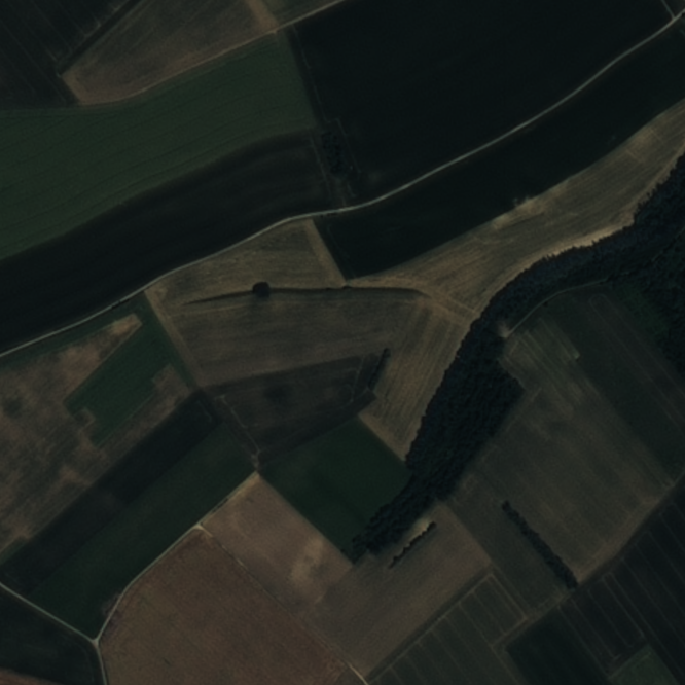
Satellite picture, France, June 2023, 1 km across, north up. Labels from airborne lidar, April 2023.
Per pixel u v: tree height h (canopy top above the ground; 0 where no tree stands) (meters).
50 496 0
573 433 0
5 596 0
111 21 0
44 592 0
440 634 0
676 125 0
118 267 0
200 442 0
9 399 0
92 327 0
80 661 0
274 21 0
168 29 0
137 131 0
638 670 0
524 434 0
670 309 13
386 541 22
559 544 0
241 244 0
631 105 0
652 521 0
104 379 0
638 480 0
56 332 0
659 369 0
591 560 0
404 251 0
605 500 0
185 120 0
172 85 0
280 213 0
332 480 0
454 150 0
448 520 0
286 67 0
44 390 0
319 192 0
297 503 0
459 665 0
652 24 0
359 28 0
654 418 0
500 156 0
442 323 0
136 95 0
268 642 0
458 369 17
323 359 0
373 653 0
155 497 0
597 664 0
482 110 0
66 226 0
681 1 0
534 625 0
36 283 0
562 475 0
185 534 0
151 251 0
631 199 0
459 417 12
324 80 0
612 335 0
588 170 0
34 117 0
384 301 0
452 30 0
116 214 0
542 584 0
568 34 0
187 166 0
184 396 0
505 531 0
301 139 0
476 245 0
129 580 0
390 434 0
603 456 0
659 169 0
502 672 0
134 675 0
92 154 0
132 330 0
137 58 0
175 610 0
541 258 0
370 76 0
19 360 0
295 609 0
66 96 0
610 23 0
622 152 0
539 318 0
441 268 0
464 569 0
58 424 0
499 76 0
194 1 0
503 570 0
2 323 0
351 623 0
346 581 0
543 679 0
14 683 0
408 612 0
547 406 0
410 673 0
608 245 16
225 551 0
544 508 0
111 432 0
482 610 0
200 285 0
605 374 0
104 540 0
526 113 0
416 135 0
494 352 15
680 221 17
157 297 0
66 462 0
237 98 0
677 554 0
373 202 0
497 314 12
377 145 0
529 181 0
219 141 0
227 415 0
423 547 0
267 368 0
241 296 0
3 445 0
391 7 0
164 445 0
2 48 0
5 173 0
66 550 0
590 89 0
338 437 0
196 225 0
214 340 0
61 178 0
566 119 0
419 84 0
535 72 0
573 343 0
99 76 0
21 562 0
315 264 0
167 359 0
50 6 0
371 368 0
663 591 0
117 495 0
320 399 0
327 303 0
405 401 0
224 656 0
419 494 11
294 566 0
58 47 0
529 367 0
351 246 0
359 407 0
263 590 0
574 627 0
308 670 0
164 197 0
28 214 0
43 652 0
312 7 0
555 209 0
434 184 0
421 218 0
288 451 0
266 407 0
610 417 0
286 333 0
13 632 0
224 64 0
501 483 0
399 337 0
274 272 0
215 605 0
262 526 0
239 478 0
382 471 0
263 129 0
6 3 0
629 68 0
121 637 0
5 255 0
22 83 0
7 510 0
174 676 0
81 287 0
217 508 0
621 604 0
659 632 0
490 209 0
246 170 0
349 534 0
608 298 0
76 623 0
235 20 0
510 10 0
